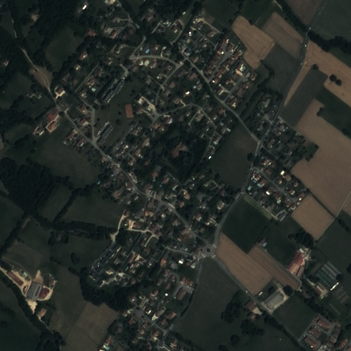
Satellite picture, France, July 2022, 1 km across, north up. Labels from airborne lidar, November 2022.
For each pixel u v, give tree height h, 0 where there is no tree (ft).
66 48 0
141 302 0
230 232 0
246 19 0
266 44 0
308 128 0
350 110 0
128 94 0
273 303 0
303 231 31
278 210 0
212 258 0
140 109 0
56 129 0
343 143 0
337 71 0
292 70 0
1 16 51
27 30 0
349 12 0
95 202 0
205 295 0
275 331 0
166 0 53
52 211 0
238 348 0
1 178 58
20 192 65
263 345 0
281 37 0
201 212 21
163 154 33
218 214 25
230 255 0
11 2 64
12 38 42
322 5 0
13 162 60
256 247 0
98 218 0
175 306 0
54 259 25
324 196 0
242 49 0
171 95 39
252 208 0
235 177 0
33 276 0
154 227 0
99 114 0
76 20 51
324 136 0
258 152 0
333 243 0
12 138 0
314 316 0
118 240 49
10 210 0
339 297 0
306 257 0
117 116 0
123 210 0
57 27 63
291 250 0
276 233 0
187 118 42
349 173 0
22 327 0
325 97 0
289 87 0
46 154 0
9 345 0
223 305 0
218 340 0
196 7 57
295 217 0
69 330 0
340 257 0
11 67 60
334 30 0
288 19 31
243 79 0
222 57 0
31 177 65
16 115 73
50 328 0
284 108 0
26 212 47
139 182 24
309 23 0
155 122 0
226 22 0
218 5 0
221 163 0
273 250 0
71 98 0
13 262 0
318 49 0
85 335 0
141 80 23
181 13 66
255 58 0
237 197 0
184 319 0
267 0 0
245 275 0
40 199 38
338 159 0
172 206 0
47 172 56
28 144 0
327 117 0
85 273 66
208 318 0
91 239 51
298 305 0
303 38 0
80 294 0
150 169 23
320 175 0
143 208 0
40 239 0
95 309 0
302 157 42
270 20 0
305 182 0
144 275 20
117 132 0
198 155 26
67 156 0
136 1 0
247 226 0
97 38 58
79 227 47
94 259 0
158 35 59
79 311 0
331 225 0
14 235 60
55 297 0
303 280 32
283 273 0
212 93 42
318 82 0
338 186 0
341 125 0
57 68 0
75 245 0
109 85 56
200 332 0
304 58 0
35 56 47
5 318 0
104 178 38
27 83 0
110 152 45
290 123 0
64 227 52
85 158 0
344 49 62
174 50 39
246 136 0
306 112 0
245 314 0
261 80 0
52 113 0
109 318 0
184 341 43
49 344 48
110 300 33
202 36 0
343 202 0
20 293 52
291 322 0
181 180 26
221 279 0
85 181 0
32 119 56
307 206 0
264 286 0
